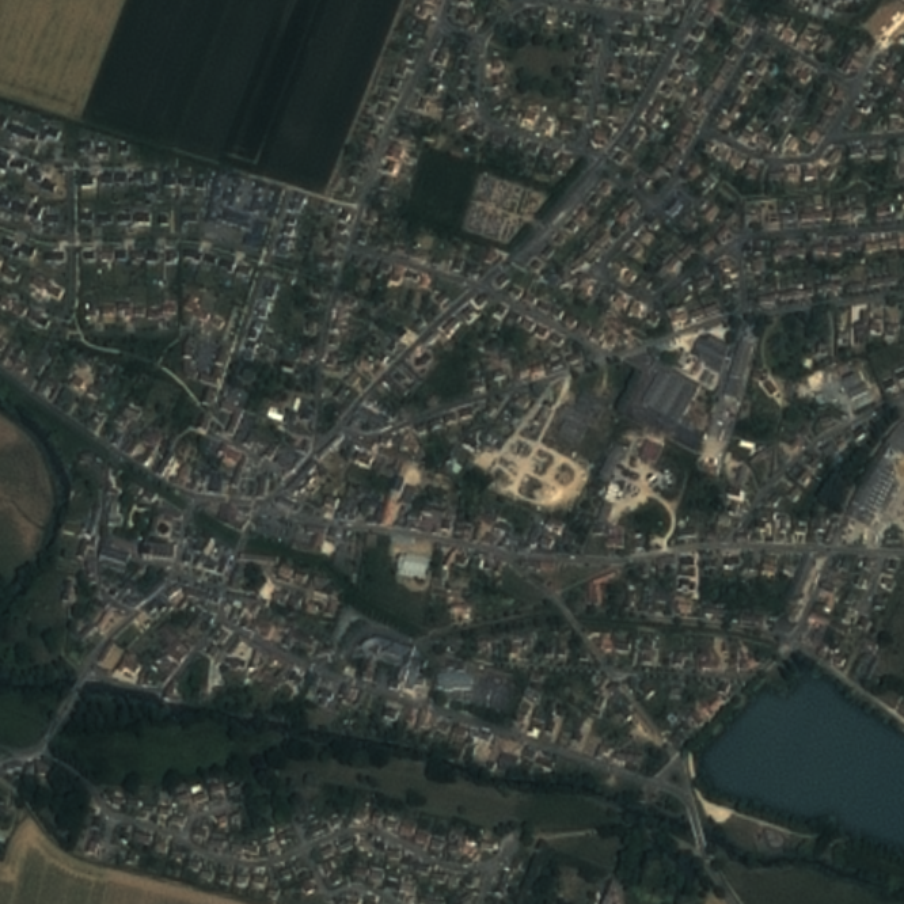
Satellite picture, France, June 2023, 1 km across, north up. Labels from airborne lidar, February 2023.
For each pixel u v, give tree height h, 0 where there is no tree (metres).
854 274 0
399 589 0
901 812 0
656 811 8
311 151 0
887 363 0
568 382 0
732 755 0
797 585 0
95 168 0
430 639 0
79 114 0
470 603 10
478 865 0
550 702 6
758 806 17
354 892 0
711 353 0
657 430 0
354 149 7
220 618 0
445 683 0
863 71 0
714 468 0
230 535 0
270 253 0
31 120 0
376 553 0
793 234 0
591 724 0
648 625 0
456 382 0
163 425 8
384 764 16
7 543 0
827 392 0
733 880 0
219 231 0
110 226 0
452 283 0
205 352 0
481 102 0
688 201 0
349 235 0
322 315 0
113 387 12
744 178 7
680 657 0
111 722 24
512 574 0
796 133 6
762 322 13
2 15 0
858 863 0
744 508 0
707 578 7
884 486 0
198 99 0
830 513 6
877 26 0
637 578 6
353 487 6
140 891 0
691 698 7
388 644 0
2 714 0
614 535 0
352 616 0
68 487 0
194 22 0
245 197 0
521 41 10
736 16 7
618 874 14
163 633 0
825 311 11
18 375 0
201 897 0
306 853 0
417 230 9
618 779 0
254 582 12
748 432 7
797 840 0
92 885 0
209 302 0
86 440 0
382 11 0
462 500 7
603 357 0
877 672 0
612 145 0
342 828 0
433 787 0
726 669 0
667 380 0
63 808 21
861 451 13
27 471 0
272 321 0
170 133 0
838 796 0
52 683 13
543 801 0
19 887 0
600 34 14
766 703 0
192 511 0
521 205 0
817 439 0
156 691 0
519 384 0
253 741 0
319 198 0
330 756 19
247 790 13
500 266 0
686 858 14
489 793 0
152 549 0
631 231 0
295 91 0
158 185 0
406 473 0
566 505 0
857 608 0
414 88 0
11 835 0
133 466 7
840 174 9
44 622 0
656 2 0
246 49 0
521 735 0
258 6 0
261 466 0
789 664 0
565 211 0
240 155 0
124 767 0
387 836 0
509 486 0
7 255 0
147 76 0
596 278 0
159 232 0
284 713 11
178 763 0
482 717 11
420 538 0
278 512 0
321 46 0
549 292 0
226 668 7
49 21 0
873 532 0
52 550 11
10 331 0
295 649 7
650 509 0
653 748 7
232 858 0
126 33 0
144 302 0
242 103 0
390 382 0
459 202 0
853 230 0
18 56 0
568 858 0
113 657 0
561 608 0
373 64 0
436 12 0
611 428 0
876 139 0
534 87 15
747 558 8
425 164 0
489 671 0
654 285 7
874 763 0
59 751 12
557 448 0
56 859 0
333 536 0
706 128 0
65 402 13
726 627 10
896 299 11
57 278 0
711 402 6
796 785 0
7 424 0
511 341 7
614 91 7
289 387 9
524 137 0
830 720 0
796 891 0
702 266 0
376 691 0
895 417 19
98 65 0
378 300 15
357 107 0
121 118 0
